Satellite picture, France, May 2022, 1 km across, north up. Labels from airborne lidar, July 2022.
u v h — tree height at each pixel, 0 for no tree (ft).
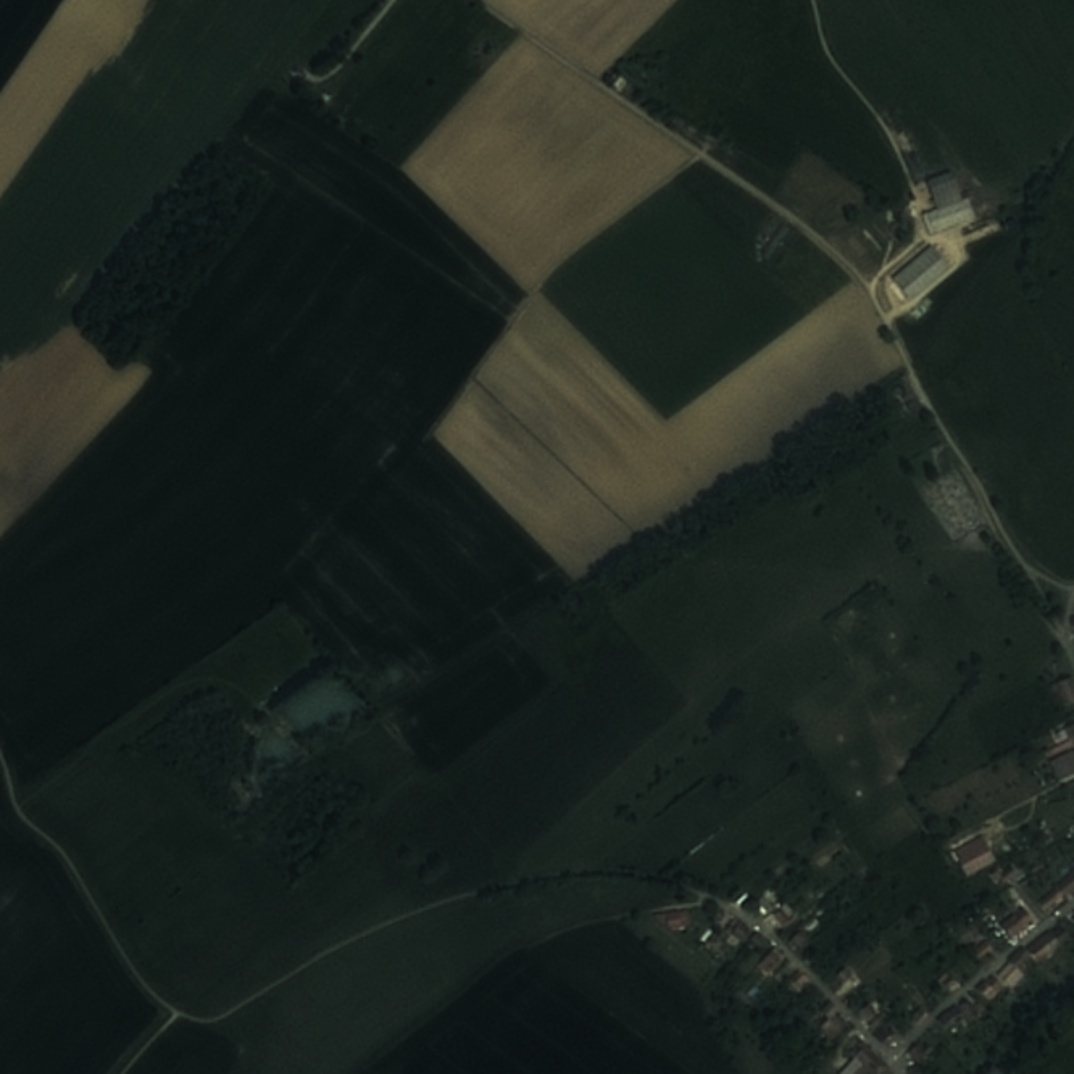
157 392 0
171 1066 0
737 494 75
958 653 0
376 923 0
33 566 0
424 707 0
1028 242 39
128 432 0
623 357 0
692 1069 0
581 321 0
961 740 0
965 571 0
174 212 46
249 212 66
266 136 0
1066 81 0
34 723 0
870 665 0
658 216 0
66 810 0
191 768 20
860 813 0
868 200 32
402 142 0
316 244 0
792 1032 66
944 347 0
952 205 0
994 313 0
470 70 0
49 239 0
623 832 0
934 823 50
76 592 0
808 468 82
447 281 0
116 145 0
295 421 0
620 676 0
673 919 0
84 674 0
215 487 0
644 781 0
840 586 0
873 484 0
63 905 0
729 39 0
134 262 76
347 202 0
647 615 0
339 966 0
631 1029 0
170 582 0
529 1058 0
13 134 0
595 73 0
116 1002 0
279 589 0
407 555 0
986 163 0
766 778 0
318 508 0
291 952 0
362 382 0
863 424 82
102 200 0
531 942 0
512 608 0
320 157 0
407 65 0
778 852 0
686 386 0
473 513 0
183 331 0
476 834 0
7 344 0
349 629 0
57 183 0
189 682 0
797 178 0
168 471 0
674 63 0
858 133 0
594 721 0
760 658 0
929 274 0
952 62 0
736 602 0
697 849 0
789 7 0
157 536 0
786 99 0
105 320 26
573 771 0
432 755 0
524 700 0
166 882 0
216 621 0
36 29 0
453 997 0
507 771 0
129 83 0
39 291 0
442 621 0
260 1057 0
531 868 0
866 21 0
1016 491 0
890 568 0
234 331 0
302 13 0
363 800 65
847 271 0
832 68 0
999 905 18
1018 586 54
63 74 0
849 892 23
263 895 0
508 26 0
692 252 0
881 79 0
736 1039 19
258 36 0
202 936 0
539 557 0
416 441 0
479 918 0
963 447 0
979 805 0
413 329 0
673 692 0
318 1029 0
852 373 0
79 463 0
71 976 0
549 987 0
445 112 0
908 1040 0
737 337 0
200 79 0
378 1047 0
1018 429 0
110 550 0
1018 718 0
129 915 0
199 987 0
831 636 0
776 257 0
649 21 0
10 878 0
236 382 0
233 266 0
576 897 0
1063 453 0
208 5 0
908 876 0
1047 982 0
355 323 0
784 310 0
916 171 0
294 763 72
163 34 0
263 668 0
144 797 0
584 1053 0
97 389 0
